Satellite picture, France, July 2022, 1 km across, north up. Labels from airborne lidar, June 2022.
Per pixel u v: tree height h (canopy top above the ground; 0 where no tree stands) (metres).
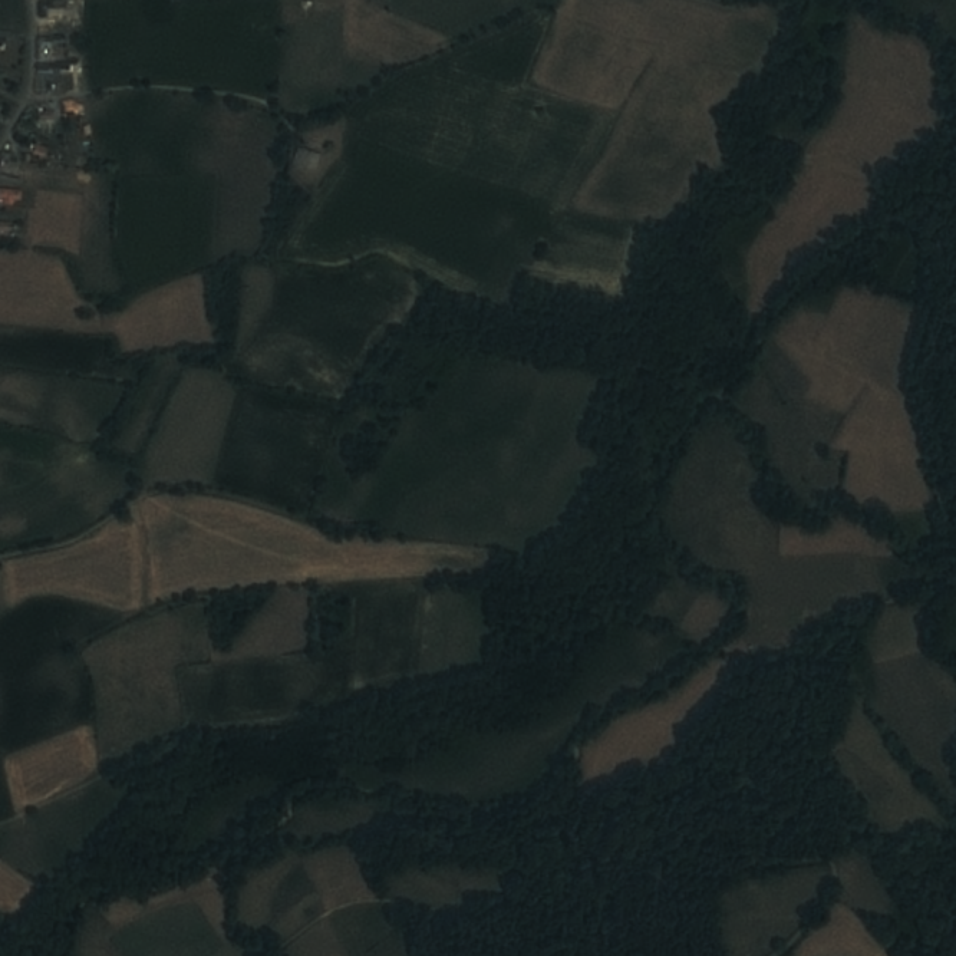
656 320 31
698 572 22
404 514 0
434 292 17
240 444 0
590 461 0
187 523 0
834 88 18
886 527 30
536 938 15
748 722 32
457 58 0
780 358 0
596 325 26
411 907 19
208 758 22
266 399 0
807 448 0
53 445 0
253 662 0
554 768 23
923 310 19
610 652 0
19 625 0
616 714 8
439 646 0
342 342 0
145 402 0
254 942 22
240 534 0
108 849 27
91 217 0
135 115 0
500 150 0
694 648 13
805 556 0
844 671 22
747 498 0
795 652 7
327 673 0
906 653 0
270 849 26
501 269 0
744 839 23
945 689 0
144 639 0
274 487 0
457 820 31
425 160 0
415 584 0
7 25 0
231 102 15
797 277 23
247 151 0
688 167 0
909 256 0
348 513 0
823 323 0
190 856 8
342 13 0
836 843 21
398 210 0
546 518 0
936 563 27
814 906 16
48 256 0
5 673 0
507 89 0
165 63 0
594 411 20
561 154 0
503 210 0
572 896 24
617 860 18
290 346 0
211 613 8
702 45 0
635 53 0
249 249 0
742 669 28
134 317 0
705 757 29
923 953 27
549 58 0
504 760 0
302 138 11
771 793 24
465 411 0
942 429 22
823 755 15
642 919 22
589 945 29
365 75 0
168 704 0
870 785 0
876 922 21
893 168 27
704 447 0
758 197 18
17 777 0
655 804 25
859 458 0
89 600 0
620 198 0
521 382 0
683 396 30
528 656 22
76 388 0
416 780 0
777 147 22
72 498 0
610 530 27
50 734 0
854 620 16
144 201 0
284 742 12
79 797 0
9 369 0
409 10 0
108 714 0
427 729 14
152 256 0
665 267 23
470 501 0
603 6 0
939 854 24
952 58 27
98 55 0
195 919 0
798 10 15
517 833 31
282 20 0
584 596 21
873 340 0
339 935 0
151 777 17
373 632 0
